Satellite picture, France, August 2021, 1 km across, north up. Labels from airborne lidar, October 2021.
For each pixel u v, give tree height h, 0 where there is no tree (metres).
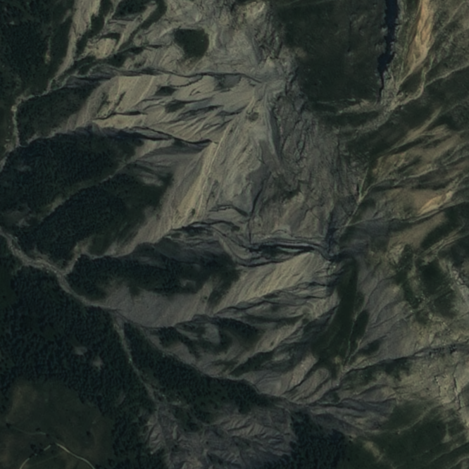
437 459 0
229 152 0
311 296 0
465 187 0
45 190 12
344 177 0
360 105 0
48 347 21
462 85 0
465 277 0
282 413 0
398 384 0
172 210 0
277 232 0
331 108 0
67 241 11
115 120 0
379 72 0
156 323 0
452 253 0
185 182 0
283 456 0
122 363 16
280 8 0
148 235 0
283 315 0
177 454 0
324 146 0
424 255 0
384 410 0
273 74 0
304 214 0
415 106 0
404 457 0
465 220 0
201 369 0
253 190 0
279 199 0
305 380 0
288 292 0
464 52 0
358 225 0
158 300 0
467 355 0
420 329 0
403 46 0
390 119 0
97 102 0
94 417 0
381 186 0
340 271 0
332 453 17
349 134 0
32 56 9
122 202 10
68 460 0
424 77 0
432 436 0
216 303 0
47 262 0
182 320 0
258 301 0
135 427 16
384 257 0
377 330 0
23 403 0
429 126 0
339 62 0
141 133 0
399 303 0
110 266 12
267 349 0
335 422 0
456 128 0
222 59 0
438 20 0
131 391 12
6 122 0
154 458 18
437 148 0
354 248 0
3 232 0
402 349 0
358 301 0
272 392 0
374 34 0
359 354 0
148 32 0
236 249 0
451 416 0
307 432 6
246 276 0
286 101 0
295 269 0
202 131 0
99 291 8
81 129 0
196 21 0
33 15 10
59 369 15
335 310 0
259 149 0
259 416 0
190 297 0
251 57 0
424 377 0
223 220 0
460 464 0
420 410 0
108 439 0
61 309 18
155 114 0
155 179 0
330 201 0
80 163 12
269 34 0
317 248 0
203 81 0
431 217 0
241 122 0
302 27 0
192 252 0
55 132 0
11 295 0
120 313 0
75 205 11
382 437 0
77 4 0
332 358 0
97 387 6
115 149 0
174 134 0
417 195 0
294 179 0
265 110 0
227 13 0
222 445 0
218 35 0
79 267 7
